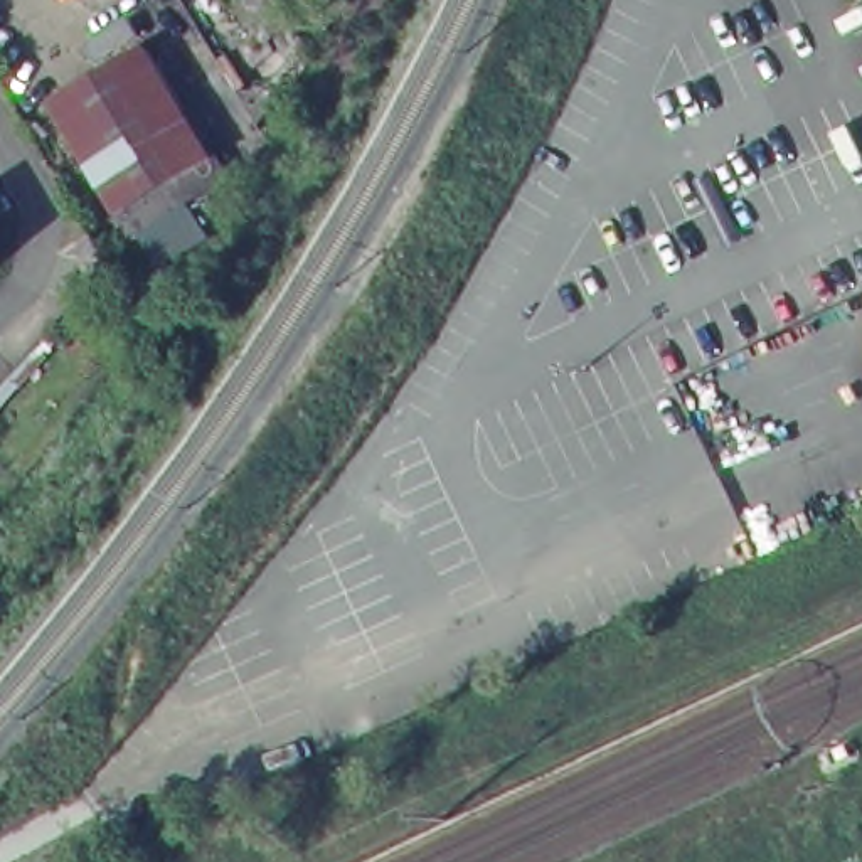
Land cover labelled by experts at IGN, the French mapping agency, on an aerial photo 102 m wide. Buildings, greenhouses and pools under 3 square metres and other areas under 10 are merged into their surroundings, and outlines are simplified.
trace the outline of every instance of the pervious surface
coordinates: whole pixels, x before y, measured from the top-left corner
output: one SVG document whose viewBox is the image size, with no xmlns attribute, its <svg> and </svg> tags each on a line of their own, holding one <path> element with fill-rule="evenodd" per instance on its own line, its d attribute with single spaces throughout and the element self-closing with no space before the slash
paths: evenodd
<svg viewBox="0 0 862 862">
<path fill-rule="evenodd" d="M 862 724 L 862 620 L 818 636 L 815 643 L 808 643 L 808 657 L 774 673 L 734 677 L 673 710 L 663 710 L 647 724 L 636 724 L 626 734 L 606 737 L 603 744 L 566 758 L 559 764 L 562 774 L 549 778 L 545 785 L 535 785 L 535 778 L 515 781 L 451 818 L 434 818 L 428 828 L 407 835 L 404 842 L 364 862 L 579 862 L 700 801 L 710 801 L 731 788 L 744 788 L 748 781 L 774 771 L 778 764 L 805 758 L 818 744 L 845 748 L 845 741 L 859 734 L 855 727 Z"/>
<path fill-rule="evenodd" d="M 273 74 L 279 77 L 286 71 L 300 54 L 300 40 L 290 30 L 283 30 L 283 44 L 259 71 L 263 74 Z"/>
<path fill-rule="evenodd" d="M 246 448 L 286 404 L 286 394 L 300 387 L 306 370 L 313 367 L 313 357 L 327 343 L 330 323 L 350 310 L 357 293 L 367 293 L 370 276 L 380 269 L 380 253 L 401 236 L 414 202 L 424 192 L 424 175 L 451 121 L 471 94 L 475 71 L 488 51 L 492 30 L 508 0 L 421 0 L 418 13 L 404 27 L 401 47 L 391 61 L 391 74 L 380 88 L 367 135 L 354 141 L 354 155 L 343 178 L 337 182 L 330 199 L 317 202 L 306 216 L 303 246 L 286 259 L 283 273 L 269 283 L 269 290 L 256 296 L 249 310 L 253 323 L 239 354 L 229 354 L 222 360 L 219 374 L 205 387 L 202 404 L 185 407 L 182 428 L 168 451 L 158 458 L 158 465 L 145 475 L 141 488 L 121 505 L 114 525 L 101 535 L 94 549 L 84 552 L 84 566 L 57 589 L 51 606 L 44 606 L 27 623 L 27 630 L 0 660 L 0 754 L 24 737 L 24 731 L 47 707 L 47 700 L 71 680 L 74 667 L 94 647 L 94 640 L 118 620 L 131 593 L 162 566 L 162 559 L 182 539 L 182 532 L 195 525 L 202 505 L 219 492 L 229 471 L 246 458 Z"/>
<path fill-rule="evenodd" d="M 172 178 L 165 178 L 162 185 L 109 219 L 114 226 L 138 242 L 155 219 L 182 205 L 205 205 L 212 178 L 222 165 L 212 155 L 205 155 L 202 162 L 185 165 L 182 172 L 175 172 Z"/>
</svg>

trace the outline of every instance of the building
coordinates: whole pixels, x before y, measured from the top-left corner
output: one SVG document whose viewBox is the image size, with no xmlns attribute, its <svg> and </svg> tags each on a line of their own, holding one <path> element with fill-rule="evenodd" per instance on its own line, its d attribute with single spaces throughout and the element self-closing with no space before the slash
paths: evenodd
<svg viewBox="0 0 862 862">
<path fill-rule="evenodd" d="M 84 232 L 81 239 L 61 246 L 57 283 L 64 283 L 74 269 L 88 269 L 94 263 L 94 246 Z"/>
<path fill-rule="evenodd" d="M 263 74 L 256 88 L 246 88 L 239 81 L 237 89 L 266 135 L 263 108 L 273 74 Z"/>
<path fill-rule="evenodd" d="M 54 81 L 54 91 L 44 98 L 40 111 L 54 121 L 57 141 L 71 141 L 67 158 L 98 192 L 109 219 L 162 185 L 165 178 L 172 178 L 175 172 L 182 172 L 185 165 L 202 162 L 205 155 L 172 91 L 165 88 L 158 67 L 152 64 L 145 44 L 135 44 L 108 57 L 101 67 L 81 74 L 71 84 Z"/>
<path fill-rule="evenodd" d="M 192 253 L 205 239 L 205 229 L 182 205 L 155 219 L 138 242 L 155 242 L 168 256 Z"/>
<path fill-rule="evenodd" d="M 10 350 L 13 370 L 0 384 L 0 404 L 17 391 L 17 384 L 30 387 L 34 377 L 40 377 L 40 360 L 17 357 Z"/>
</svg>

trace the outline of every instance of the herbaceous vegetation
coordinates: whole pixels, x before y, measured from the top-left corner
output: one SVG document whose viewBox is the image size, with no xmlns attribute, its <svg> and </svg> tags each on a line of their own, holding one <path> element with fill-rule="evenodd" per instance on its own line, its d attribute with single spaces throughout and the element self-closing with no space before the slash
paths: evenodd
<svg viewBox="0 0 862 862">
<path fill-rule="evenodd" d="M 603 744 L 606 737 L 626 734 L 636 724 L 647 724 L 663 710 L 673 710 L 734 677 L 774 673 L 808 657 L 808 643 L 815 643 L 818 636 L 862 620 L 862 508 L 849 508 L 838 522 L 808 525 L 805 535 L 781 542 L 774 552 L 761 552 L 744 566 L 714 572 L 707 586 L 694 589 L 680 616 L 670 630 L 653 630 L 640 613 L 643 599 L 626 603 L 616 620 L 579 633 L 579 640 L 562 657 L 556 657 L 545 667 L 535 667 L 525 677 L 522 694 L 512 700 L 505 700 L 502 694 L 482 697 L 471 690 L 458 697 L 448 707 L 448 721 L 438 727 L 434 754 L 421 771 L 407 778 L 407 791 L 397 805 L 364 818 L 364 808 L 337 791 L 333 822 L 323 832 L 323 838 L 313 838 L 303 852 L 293 852 L 290 859 L 242 849 L 239 838 L 216 842 L 205 855 L 189 859 L 182 845 L 165 842 L 162 825 L 148 808 L 148 795 L 138 795 L 131 801 L 128 825 L 141 862 L 364 862 L 404 842 L 407 835 L 428 828 L 434 818 L 451 818 L 515 781 L 535 778 L 535 785 L 545 785 L 549 778 L 562 774 L 559 764 L 566 758 Z"/>
<path fill-rule="evenodd" d="M 168 451 L 182 428 L 175 421 L 158 421 L 138 434 L 128 434 L 128 441 L 135 441 L 135 465 L 145 475 L 158 465 L 158 458 Z"/>
<path fill-rule="evenodd" d="M 67 158 L 71 141 L 57 141 L 54 121 L 40 111 L 24 111 L 20 118 L 30 121 L 30 145 L 40 152 L 47 172 L 57 175 L 71 175 L 74 195 L 91 209 L 94 222 L 104 232 L 111 232 L 114 226 L 109 219 L 98 192 Z"/>
<path fill-rule="evenodd" d="M 104 364 L 111 377 L 108 387 L 98 394 L 98 401 L 88 401 L 88 377 L 98 357 L 81 340 L 51 343 L 51 350 L 40 360 L 40 377 L 34 377 L 30 387 L 17 384 L 17 391 L 0 404 L 0 562 L 24 569 L 30 562 L 34 545 L 54 542 L 57 512 L 101 512 L 101 478 L 84 482 L 84 465 L 98 468 L 101 455 L 108 455 L 121 441 L 121 428 L 131 418 L 131 411 L 148 411 L 152 404 L 152 397 L 125 377 L 121 364 L 114 360 Z"/>
<path fill-rule="evenodd" d="M 818 744 L 805 758 L 778 764 L 774 771 L 748 781 L 744 788 L 731 788 L 710 801 L 700 801 L 579 862 L 862 862 L 862 724 L 855 727 L 859 734 L 845 741 L 845 748 Z"/>
<path fill-rule="evenodd" d="M 296 74 L 300 104 L 310 111 L 313 128 L 320 128 L 337 111 L 343 94 L 343 71 L 327 67 L 320 74 L 306 74 L 300 54 L 286 71 Z"/>
<path fill-rule="evenodd" d="M 290 30 L 279 0 L 195 0 L 195 7 L 205 13 L 195 34 L 202 34 L 212 54 L 232 64 L 239 81 L 246 88 L 256 88 L 263 74 L 259 71 L 283 44 L 283 30 Z"/>
<path fill-rule="evenodd" d="M 74 667 L 71 680 L 47 700 L 47 707 L 24 731 L 24 737 L 0 754 L 0 838 L 7 832 L 24 828 L 30 818 L 54 811 L 67 801 L 77 801 L 84 795 L 94 774 L 152 717 L 152 710 L 189 667 L 189 660 L 209 647 L 222 620 L 249 596 L 263 572 L 276 562 L 276 556 L 293 542 L 300 525 L 333 492 L 340 475 L 377 431 L 377 424 L 391 414 L 401 387 L 424 360 L 428 347 L 434 347 L 498 222 L 512 209 L 519 189 L 525 185 L 532 152 L 542 145 L 542 138 L 552 135 L 562 114 L 556 111 L 559 98 L 572 94 L 583 57 L 593 54 L 603 0 L 508 0 L 492 30 L 488 51 L 475 71 L 471 94 L 451 121 L 424 175 L 424 192 L 414 202 L 401 236 L 380 253 L 380 269 L 370 276 L 367 293 L 357 293 L 350 310 L 330 323 L 327 343 L 313 357 L 313 367 L 306 370 L 300 387 L 286 394 L 286 404 L 246 448 L 246 458 L 229 471 L 219 492 L 202 505 L 195 525 L 182 532 L 182 539 L 162 559 L 162 566 L 131 593 L 118 620 L 94 640 L 94 647 Z"/>
<path fill-rule="evenodd" d="M 51 586 L 40 593 L 27 593 L 10 603 L 0 586 L 0 660 L 27 630 L 27 623 L 44 606 L 51 606 L 57 589 Z"/>
</svg>

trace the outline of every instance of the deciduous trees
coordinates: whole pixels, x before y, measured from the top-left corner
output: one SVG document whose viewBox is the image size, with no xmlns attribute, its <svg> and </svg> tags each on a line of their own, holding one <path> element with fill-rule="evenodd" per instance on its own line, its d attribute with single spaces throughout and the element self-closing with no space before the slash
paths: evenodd
<svg viewBox="0 0 862 862">
<path fill-rule="evenodd" d="M 128 825 L 108 825 L 101 818 L 91 818 L 74 832 L 64 832 L 54 842 L 47 842 L 54 849 L 51 862 L 141 862 Z"/>
<path fill-rule="evenodd" d="M 663 609 L 657 599 L 643 599 L 640 613 L 653 630 L 670 630 L 680 616 L 673 609 Z"/>
<path fill-rule="evenodd" d="M 401 47 L 404 27 L 418 13 L 421 0 L 279 0 L 290 30 L 300 40 L 300 54 L 306 74 L 320 74 L 327 67 L 343 71 L 343 94 L 337 111 L 320 128 L 313 128 L 310 111 L 300 104 L 296 74 L 286 71 L 279 77 L 273 74 L 263 108 L 266 135 L 266 141 L 256 152 L 239 152 L 236 162 L 222 165 L 212 178 L 205 205 L 182 205 L 205 229 L 205 239 L 192 253 L 168 256 L 155 242 L 138 242 L 114 226 L 111 232 L 104 232 L 94 222 L 91 209 L 74 195 L 71 175 L 57 175 L 57 182 L 51 185 L 51 202 L 64 226 L 81 222 L 84 232 L 94 246 L 94 263 L 88 269 L 81 293 L 71 293 L 61 303 L 61 313 L 44 323 L 51 343 L 81 340 L 98 357 L 88 377 L 88 401 L 98 401 L 98 394 L 108 387 L 111 377 L 104 364 L 114 360 L 121 364 L 125 377 L 152 397 L 152 404 L 148 411 L 131 411 L 131 418 L 121 428 L 121 441 L 108 455 L 101 455 L 98 468 L 84 465 L 84 482 L 101 478 L 101 512 L 57 512 L 54 542 L 34 545 L 30 562 L 24 569 L 0 562 L 0 586 L 10 603 L 27 593 L 40 593 L 51 586 L 57 589 L 84 566 L 84 552 L 94 549 L 101 535 L 114 525 L 121 505 L 141 488 L 145 475 L 135 465 L 135 441 L 128 441 L 128 434 L 138 434 L 158 421 L 175 421 L 182 428 L 185 407 L 202 404 L 205 387 L 219 374 L 222 360 L 229 354 L 239 354 L 253 323 L 249 310 L 256 296 L 269 290 L 269 283 L 283 273 L 286 259 L 303 246 L 306 216 L 317 202 L 330 199 L 337 182 L 343 178 L 354 155 L 354 141 L 367 135 L 380 88 L 391 74 L 391 61 Z"/>
<path fill-rule="evenodd" d="M 508 660 L 485 657 L 478 663 L 471 690 L 482 697 L 502 694 L 505 700 L 512 700 L 522 694 L 525 677 L 508 677 Z"/>
<path fill-rule="evenodd" d="M 407 791 L 407 778 L 421 771 L 434 754 L 438 727 L 448 721 L 448 707 L 458 697 L 458 690 L 448 690 L 424 704 L 418 714 L 377 724 L 364 734 L 337 734 L 330 748 L 323 748 L 313 737 L 310 758 L 300 758 L 290 768 L 266 771 L 259 748 L 246 748 L 239 758 L 212 754 L 199 778 L 172 774 L 158 791 L 148 795 L 148 808 L 162 825 L 165 842 L 182 845 L 189 859 L 205 855 L 216 842 L 239 838 L 242 849 L 290 859 L 293 852 L 303 852 L 313 838 L 323 838 L 323 832 L 333 822 L 337 791 L 364 808 L 364 818 L 397 805 Z"/>
</svg>

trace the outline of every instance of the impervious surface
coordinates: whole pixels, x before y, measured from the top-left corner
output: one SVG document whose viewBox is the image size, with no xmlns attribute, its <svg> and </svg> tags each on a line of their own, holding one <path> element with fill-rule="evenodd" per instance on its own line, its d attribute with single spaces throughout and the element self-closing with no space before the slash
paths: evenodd
<svg viewBox="0 0 862 862">
<path fill-rule="evenodd" d="M 101 67 L 108 57 L 135 44 L 145 44 L 152 64 L 158 67 L 165 88 L 172 91 L 205 155 L 212 155 L 222 165 L 236 162 L 239 152 L 256 152 L 266 141 L 266 135 L 237 89 L 239 81 L 232 64 L 212 54 L 202 34 L 195 34 L 205 13 L 195 7 L 195 0 L 0 0 L 0 384 L 13 370 L 10 350 L 17 357 L 40 360 L 51 350 L 51 343 L 44 323 L 61 313 L 61 303 L 71 293 L 81 293 L 88 269 L 74 269 L 64 283 L 57 283 L 61 246 L 81 239 L 84 232 L 81 222 L 64 226 L 51 202 L 51 185 L 57 182 L 57 175 L 47 172 L 40 152 L 30 145 L 30 121 L 20 118 L 24 111 L 40 111 L 44 98 L 54 91 L 54 81 L 71 84 L 81 74 Z"/>
<path fill-rule="evenodd" d="M 434 347 L 428 347 L 424 360 L 401 387 L 391 414 L 377 424 L 377 431 L 340 475 L 333 492 L 300 525 L 293 542 L 276 556 L 276 562 L 263 572 L 249 596 L 222 620 L 209 647 L 189 660 L 189 667 L 152 710 L 152 717 L 94 774 L 84 795 L 77 801 L 67 801 L 54 811 L 30 818 L 24 828 L 7 832 L 0 838 L 0 862 L 51 862 L 54 849 L 47 842 L 54 842 L 64 832 L 74 832 L 91 818 L 101 818 L 108 825 L 128 825 L 131 801 L 138 795 L 148 795 L 158 791 L 172 774 L 199 778 L 212 754 L 239 758 L 246 748 L 259 748 L 266 771 L 290 768 L 300 758 L 310 758 L 313 737 L 323 748 L 330 748 L 337 734 L 364 734 L 377 724 L 418 714 L 424 704 L 448 690 L 458 690 L 458 697 L 471 690 L 478 663 L 485 657 L 508 660 L 508 677 L 525 677 L 535 667 L 545 667 L 556 657 L 562 657 L 579 640 L 579 633 L 616 620 L 626 603 L 643 599 L 657 599 L 663 609 L 673 609 L 680 616 L 694 589 L 707 586 L 714 572 L 744 566 L 761 552 L 774 552 L 781 542 L 805 535 L 808 525 L 838 522 L 849 508 L 862 508 L 862 0 L 603 0 L 593 54 L 583 57 L 572 94 L 559 98 L 556 111 L 562 114 L 552 135 L 542 138 L 542 145 L 532 152 L 525 185 L 519 189 L 512 209 L 498 222 Z"/>
</svg>

